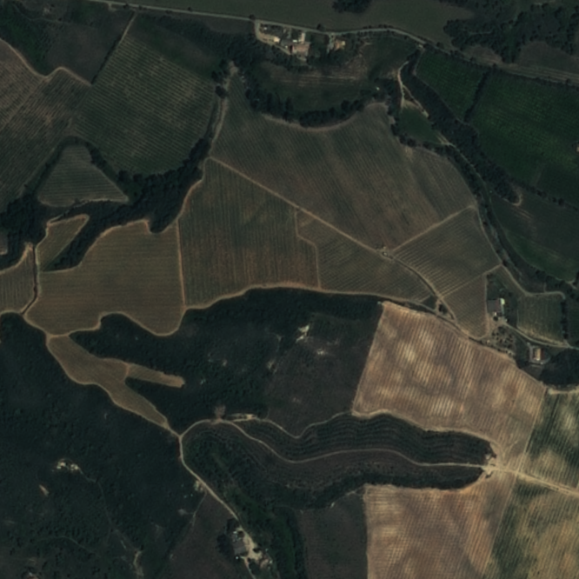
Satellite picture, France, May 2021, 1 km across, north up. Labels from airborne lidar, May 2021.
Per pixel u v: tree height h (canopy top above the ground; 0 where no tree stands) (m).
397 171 0
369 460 0
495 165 15
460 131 6
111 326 6
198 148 18
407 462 0
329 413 0
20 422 7
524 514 0
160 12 0
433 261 0
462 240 0
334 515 0
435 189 0
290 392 0
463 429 0
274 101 30
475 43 11
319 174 0
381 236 0
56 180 0
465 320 0
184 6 0
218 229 0
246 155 0
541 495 0
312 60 10
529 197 0
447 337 0
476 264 0
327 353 0
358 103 15
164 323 0
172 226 0
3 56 0
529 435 0
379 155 0
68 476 7
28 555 0
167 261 0
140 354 6
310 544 0
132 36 0
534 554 0
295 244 0
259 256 0
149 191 19
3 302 0
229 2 0
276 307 7
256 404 7
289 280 0
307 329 0
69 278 0
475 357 0
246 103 0
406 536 0
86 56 0
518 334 0
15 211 13
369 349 0
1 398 10
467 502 0
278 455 0
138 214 12
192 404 7
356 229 0
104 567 0
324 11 0
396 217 0
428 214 0
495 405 0
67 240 0
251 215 0
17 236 7
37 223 12
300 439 0
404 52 0
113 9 0
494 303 0
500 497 0
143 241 0
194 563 0
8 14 6
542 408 0
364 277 0
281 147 0
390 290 0
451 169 0
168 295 0
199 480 0
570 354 6
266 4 0
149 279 0
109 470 7
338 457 0
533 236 0
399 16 0
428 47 16
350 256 0
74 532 10
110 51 6
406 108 0
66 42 0
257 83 26
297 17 0
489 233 0
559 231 0
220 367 7
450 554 0
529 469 0
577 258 0
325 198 0
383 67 0
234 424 0
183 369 9
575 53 7
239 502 9
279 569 9
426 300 0
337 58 12
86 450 14
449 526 0
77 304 0
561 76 0
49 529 8
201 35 6
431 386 0
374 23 0
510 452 0
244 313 8
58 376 6
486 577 0
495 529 0
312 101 0
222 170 0
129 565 0
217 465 8
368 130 0
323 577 0
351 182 0
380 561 0
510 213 0
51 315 0
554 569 0
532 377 0
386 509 0
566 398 0
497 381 0
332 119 13
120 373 0
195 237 0
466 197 0
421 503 0
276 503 9
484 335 0
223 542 22
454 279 0
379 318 0
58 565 9
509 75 16
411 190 0
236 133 0
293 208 0
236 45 11
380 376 0
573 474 0
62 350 0
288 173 0
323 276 0
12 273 0
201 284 0
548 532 0
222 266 0
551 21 0
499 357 0
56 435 6
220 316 8
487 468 0
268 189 0
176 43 0
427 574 0
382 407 0
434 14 0
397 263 0
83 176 0
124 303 0
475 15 0
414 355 0
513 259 6
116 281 0
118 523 7
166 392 6
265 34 0
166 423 0
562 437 0
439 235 0
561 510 0
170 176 21
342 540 0
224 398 9
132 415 8
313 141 0
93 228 8
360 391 0
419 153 0
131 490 6
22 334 6
